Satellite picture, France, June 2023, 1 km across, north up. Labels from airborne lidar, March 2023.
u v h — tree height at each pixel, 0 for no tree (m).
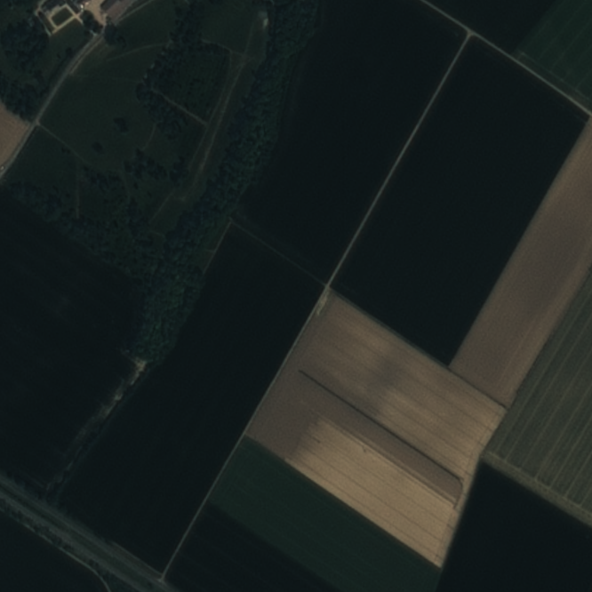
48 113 0
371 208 0
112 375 0
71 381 0
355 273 0
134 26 0
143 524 0
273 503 0
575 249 0
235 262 0
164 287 20
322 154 0
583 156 0
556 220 0
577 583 0
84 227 23
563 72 0
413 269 0
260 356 0
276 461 0
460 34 0
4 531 0
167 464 0
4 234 0
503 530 0
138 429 0
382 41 0
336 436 0
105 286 0
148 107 16
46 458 0
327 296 0
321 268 0
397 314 0
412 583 0
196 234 24
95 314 0
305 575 0
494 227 0
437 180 0
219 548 0
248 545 0
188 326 0
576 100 0
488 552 0
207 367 0
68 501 0
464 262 0
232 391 0
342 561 0
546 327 0
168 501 0
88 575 0
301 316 0
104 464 0
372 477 0
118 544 0
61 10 0
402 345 0
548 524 0
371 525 0
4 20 0
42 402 0
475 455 0
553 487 0
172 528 0
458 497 0
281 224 0
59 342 0
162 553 0
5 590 0
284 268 0
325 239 0
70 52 12
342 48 0
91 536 0
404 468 0
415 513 0
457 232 0
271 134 18
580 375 0
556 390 0
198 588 0
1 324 0
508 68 0
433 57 0
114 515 0
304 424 0
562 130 0
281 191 0
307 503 0
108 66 0
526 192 0
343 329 0
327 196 0
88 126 0
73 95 0
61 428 0
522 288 0
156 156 0
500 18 0
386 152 0
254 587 0
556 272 0
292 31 22
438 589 0
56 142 0
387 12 0
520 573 0
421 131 0
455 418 0
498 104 0
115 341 0
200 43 8
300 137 0
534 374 0
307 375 0
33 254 0
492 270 0
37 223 0
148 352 16
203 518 0
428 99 0
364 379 0
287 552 0
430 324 0
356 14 0
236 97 0
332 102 0
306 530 0
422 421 0
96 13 0
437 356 0
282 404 0
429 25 0
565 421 0
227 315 0
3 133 0
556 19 0
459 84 0
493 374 0
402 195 0
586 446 0
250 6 0
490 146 0
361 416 0
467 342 0
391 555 0
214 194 24
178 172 27
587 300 0
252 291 0
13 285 0
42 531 14
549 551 0
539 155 0
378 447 0
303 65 0
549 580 0
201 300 0
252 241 0
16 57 22
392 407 0
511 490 0
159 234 0
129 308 0
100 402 0
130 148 0
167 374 0
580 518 0
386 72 0
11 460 0
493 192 0
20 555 0
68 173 0
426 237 0
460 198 0
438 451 0
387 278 0
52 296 0
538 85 0
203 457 0
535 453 0
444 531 0
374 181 0
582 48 0
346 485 0
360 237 0
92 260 0
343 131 0
